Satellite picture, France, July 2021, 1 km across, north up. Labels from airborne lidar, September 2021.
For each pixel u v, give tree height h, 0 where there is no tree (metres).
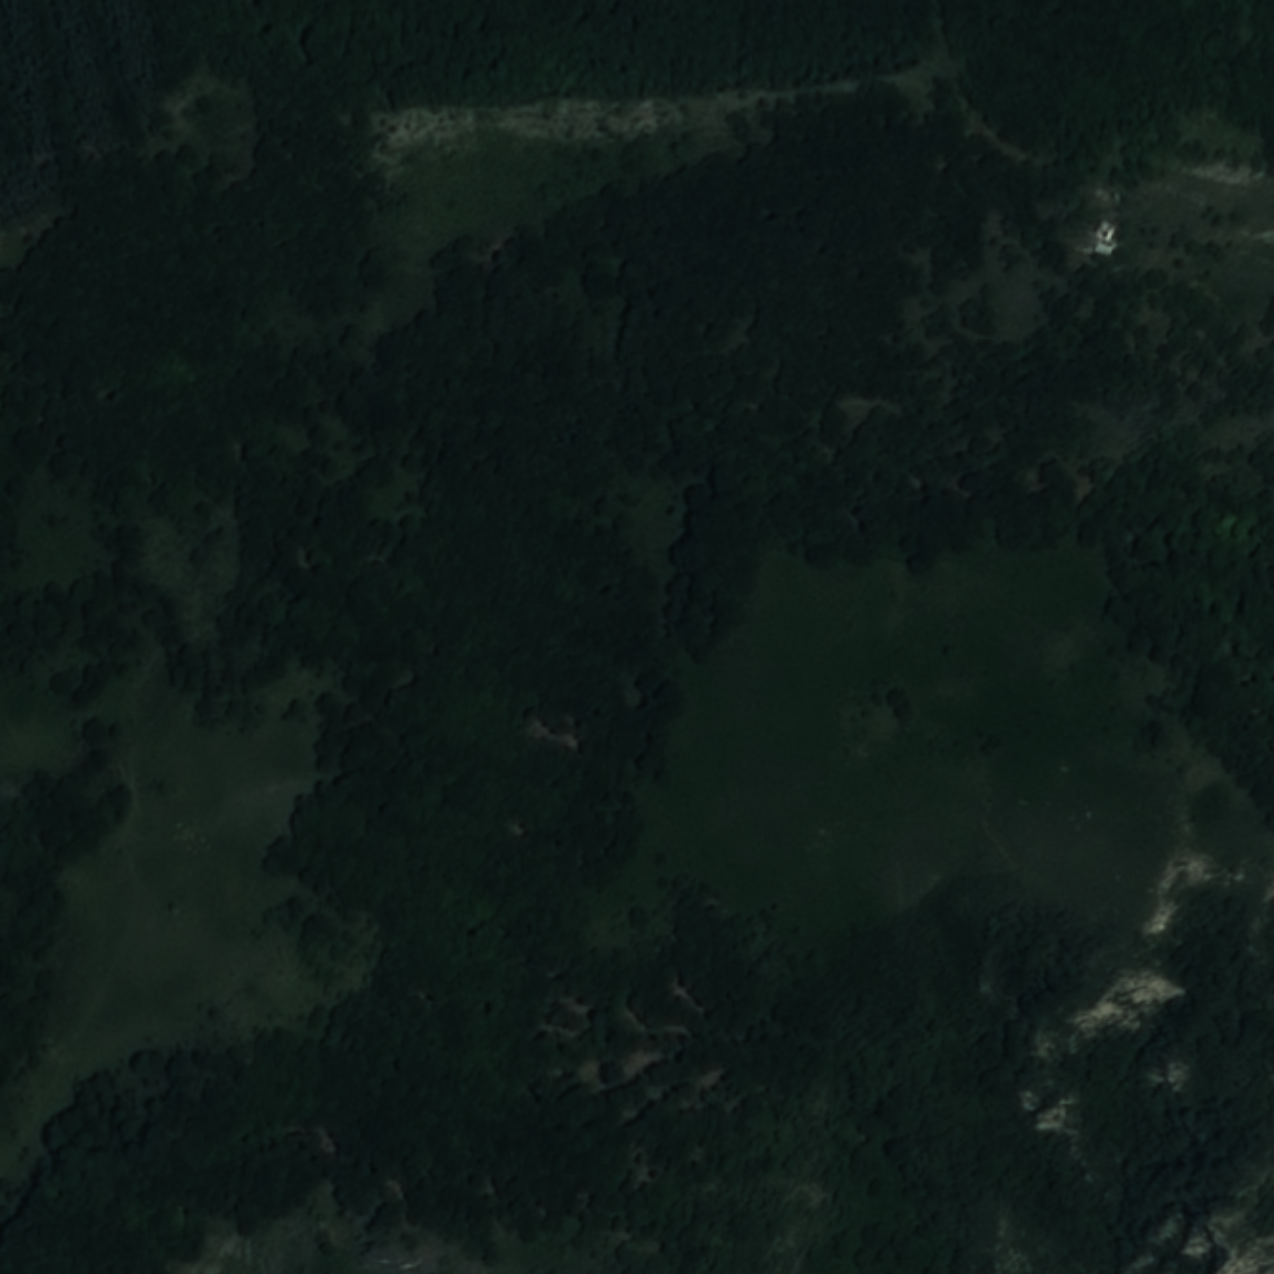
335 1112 25
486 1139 27
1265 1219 10
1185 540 27
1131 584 25
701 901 21
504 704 30
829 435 17
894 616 0
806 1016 21
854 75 6
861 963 8
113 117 17
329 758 10
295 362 10
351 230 18
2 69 20
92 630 12
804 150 15
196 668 15
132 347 21
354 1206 22
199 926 0
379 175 7
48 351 22
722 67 13
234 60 16
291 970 0
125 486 23
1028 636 0
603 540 22
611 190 14
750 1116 28
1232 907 10
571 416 21
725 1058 27
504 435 21
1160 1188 18
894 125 12
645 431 13
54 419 17
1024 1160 20
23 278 16
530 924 25
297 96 15
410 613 26
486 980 26
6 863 19
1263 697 28
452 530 13
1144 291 18
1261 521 15
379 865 24
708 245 24
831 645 0
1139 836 0
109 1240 12
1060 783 0
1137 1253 7
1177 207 0
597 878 24
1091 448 6
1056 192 13
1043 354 18
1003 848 0
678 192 21
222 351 26
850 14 16
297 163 11
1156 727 10
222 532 10
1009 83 17
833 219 23
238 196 15
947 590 0
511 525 27
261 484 23
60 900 13
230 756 0
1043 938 20
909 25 14
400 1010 26
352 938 9
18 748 0
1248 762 19
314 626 20
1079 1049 13
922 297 13
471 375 14
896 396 18
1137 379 16
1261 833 0
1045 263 9
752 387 18
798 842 0
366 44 24
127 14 20
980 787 0
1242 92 16
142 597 10
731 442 27
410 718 17
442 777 16
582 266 7
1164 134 7
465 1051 24
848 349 15
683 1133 25
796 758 0
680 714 20
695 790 0
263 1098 19
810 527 26
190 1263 11
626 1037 34
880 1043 16
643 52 19
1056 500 21
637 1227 22
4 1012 12
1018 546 25
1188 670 9
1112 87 16
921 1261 8
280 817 0
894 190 17
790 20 20
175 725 0
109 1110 7
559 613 23
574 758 27
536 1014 32
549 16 24
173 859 0
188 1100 11
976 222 14
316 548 18
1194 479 21
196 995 0
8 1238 22
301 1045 14
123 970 0
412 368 14
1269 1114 13
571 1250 11
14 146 19
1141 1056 13
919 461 22
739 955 19
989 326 11
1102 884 0
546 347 16
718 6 20
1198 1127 10
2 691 0
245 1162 18
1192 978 27
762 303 16
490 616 20
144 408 28
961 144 14
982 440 17
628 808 11
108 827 14
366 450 10
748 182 20
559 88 13
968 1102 10
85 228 20
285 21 21
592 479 21
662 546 0
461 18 24
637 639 23
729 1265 8
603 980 26
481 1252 12
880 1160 9
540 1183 24
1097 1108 15
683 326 19
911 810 0
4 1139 0
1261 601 28
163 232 21
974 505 20
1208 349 19
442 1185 21
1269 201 0
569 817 26
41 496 0
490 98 12
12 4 21
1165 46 18
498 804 21
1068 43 20
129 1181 13
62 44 18
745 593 21
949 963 12
